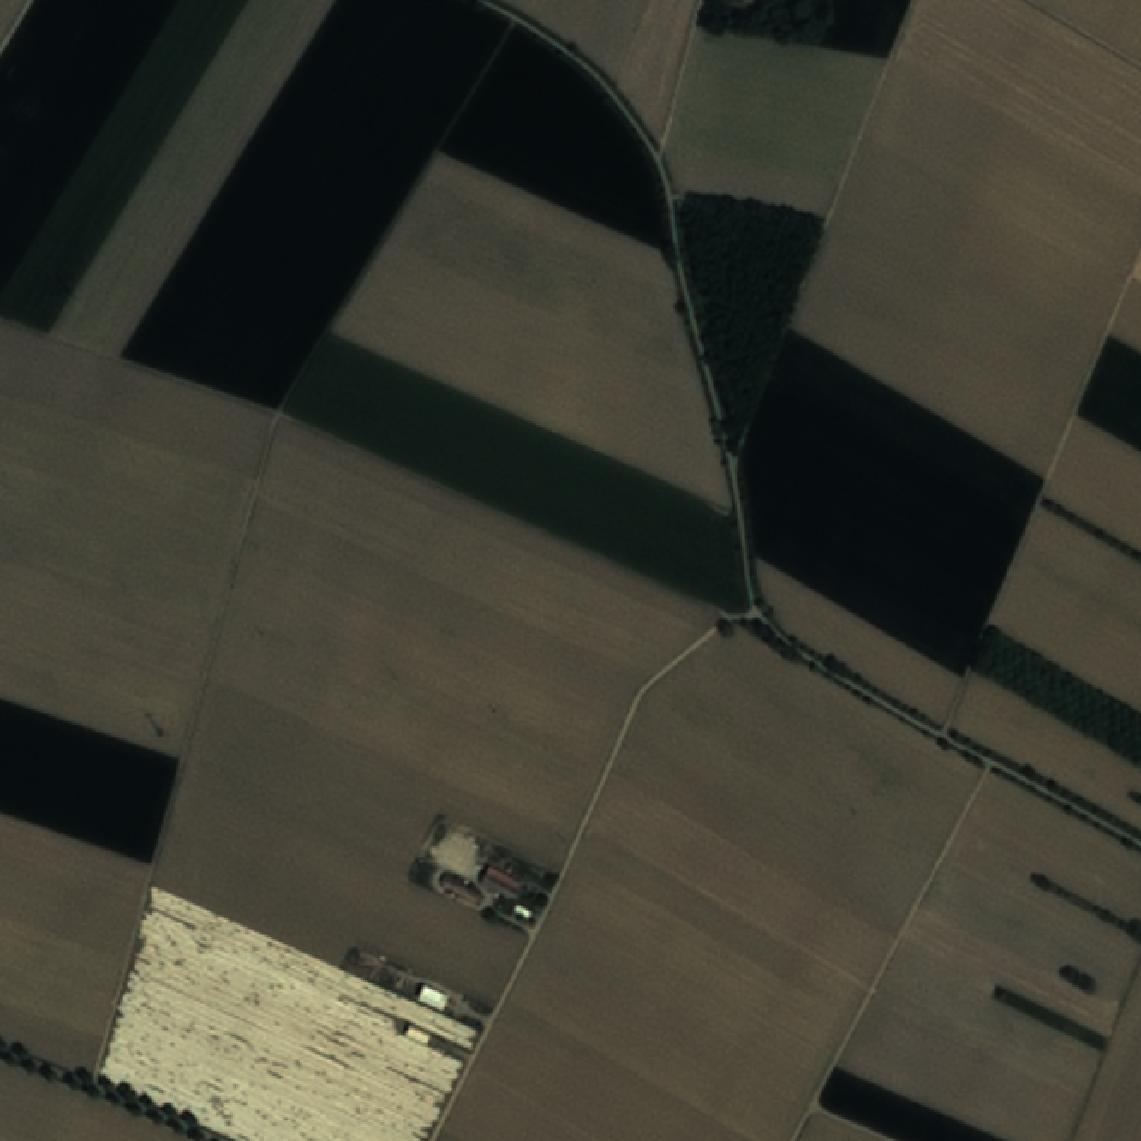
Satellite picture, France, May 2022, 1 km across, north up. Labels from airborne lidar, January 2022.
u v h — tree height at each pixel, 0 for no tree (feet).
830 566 0
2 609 0
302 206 0
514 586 0
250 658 0
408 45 0
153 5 0
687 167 0
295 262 0
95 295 0
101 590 0
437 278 0
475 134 0
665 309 0
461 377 0
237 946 0
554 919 0
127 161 0
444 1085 0
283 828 0
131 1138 0
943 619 0
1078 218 0
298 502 0
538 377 0
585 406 0
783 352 0
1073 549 0
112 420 0
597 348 0
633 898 0
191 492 0
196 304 0
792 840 0
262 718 0
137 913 0
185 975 0
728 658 0
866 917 0
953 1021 0
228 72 0
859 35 0
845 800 0
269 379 0
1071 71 0
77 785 0
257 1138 0
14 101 0
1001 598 0
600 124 0
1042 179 0
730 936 0
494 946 0
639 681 0
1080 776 0
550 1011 0
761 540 0
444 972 0
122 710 0
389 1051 0
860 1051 0
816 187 0
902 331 0
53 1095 0
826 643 0
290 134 0
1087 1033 0
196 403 0
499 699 0
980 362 0
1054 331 0
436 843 0
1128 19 0
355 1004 0
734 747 0
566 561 0
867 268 0
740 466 0
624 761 0
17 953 0
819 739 0
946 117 0
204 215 0
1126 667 0
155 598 0
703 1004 0
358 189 0
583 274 0
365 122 0
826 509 0
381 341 0
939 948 0
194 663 0
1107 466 0
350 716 0
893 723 0
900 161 0
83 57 0
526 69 0
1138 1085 0
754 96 0
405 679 0
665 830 0
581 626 0
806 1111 0
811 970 0
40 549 0
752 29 49
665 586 0
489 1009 0
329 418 0
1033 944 0
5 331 0
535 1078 0
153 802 0
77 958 0
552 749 0
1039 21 0
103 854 0
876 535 0
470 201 0
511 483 0
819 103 0
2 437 0
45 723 0
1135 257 0
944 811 0
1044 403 0
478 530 0
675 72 0
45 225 0
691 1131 0
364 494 0
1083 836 0
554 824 0
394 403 0
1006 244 0
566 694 0
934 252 0
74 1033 0
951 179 0
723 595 0
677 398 0
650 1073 0
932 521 0
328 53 0
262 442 0
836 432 0
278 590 0
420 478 0
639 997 0
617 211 0
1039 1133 0
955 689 0
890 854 0
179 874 0
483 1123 0
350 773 0
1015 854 0
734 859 0
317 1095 0
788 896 0
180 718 0
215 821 0
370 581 0
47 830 0
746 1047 0
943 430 0
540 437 0
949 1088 0
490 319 0
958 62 0
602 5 0
